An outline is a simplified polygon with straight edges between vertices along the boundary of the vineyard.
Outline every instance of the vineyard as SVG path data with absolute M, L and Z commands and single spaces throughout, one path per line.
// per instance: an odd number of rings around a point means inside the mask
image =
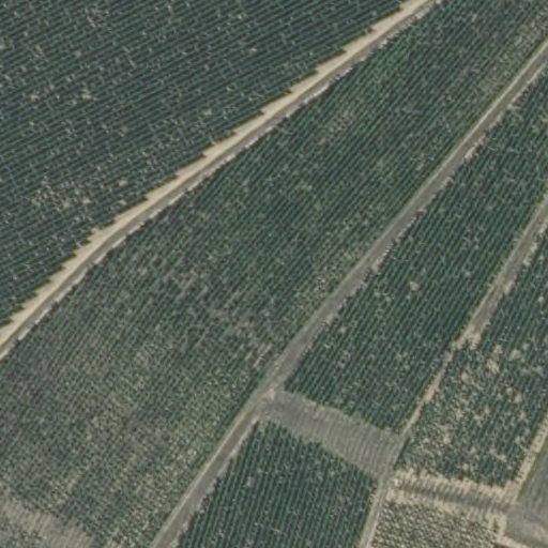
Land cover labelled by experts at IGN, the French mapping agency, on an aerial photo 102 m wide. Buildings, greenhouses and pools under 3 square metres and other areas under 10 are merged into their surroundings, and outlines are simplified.
M 195 191 L 184 193 L 180 201 L 161 210 L 154 218 L 146 220 L 141 229 L 126 235 L 124 244 L 109 250 L 101 263 L 90 265 L 86 278 L 79 285 L 75 285 L 60 302 L 51 304 L 47 317 L 34 323 L 26 338 L 15 340 L 9 355 L 0 360 L 0 548 L 548 548 L 548 0 L 413 0 L 417 4 L 417 11 L 409 19 L 392 28 L 387 34 L 383 34 L 375 45 L 360 51 L 351 62 L 332 73 L 334 81 L 321 96 L 313 98 L 306 105 L 300 105 L 293 111 L 293 116 L 280 118 L 270 133 L 261 135 L 250 148 L 240 150 L 233 161 L 218 167 Z
M 51 280 L 54 274 L 58 274 L 64 268 L 66 261 L 75 257 L 77 248 L 90 242 L 94 229 L 105 229 L 113 225 L 113 220 L 120 214 L 143 203 L 152 191 L 171 182 L 180 169 L 203 158 L 203 152 L 208 148 L 229 139 L 235 133 L 235 128 L 261 116 L 261 111 L 274 101 L 287 96 L 295 83 L 313 77 L 321 64 L 340 56 L 347 45 L 366 36 L 375 24 L 398 13 L 405 0 L 0 0 L 0 330 L 11 323 L 13 315 L 17 315 L 26 302 L 30 302 L 36 295 L 41 287 L 45 287 Z

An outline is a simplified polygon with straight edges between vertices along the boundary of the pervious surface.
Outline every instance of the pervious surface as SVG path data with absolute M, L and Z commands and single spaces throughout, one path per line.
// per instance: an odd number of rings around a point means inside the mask
M 146 220 L 154 218 L 161 210 L 180 201 L 184 193 L 195 191 L 218 167 L 233 161 L 240 150 L 250 148 L 261 135 L 270 133 L 280 118 L 293 116 L 293 111 L 300 105 L 306 105 L 313 98 L 321 96 L 334 81 L 332 73 L 351 62 L 360 51 L 375 45 L 383 34 L 387 34 L 392 28 L 409 19 L 417 11 L 417 4 L 413 0 L 405 0 L 398 13 L 375 24 L 366 36 L 347 45 L 340 56 L 321 64 L 313 77 L 295 83 L 287 96 L 274 101 L 261 111 L 261 116 L 235 128 L 235 133 L 229 139 L 208 148 L 203 152 L 203 158 L 180 169 L 171 182 L 152 191 L 143 203 L 120 214 L 113 220 L 113 225 L 105 229 L 94 229 L 90 242 L 77 248 L 75 257 L 66 261 L 64 268 L 58 274 L 54 274 L 51 280 L 45 287 L 41 287 L 36 295 L 30 302 L 26 302 L 17 315 L 13 315 L 11 323 L 0 330 L 0 360 L 9 355 L 15 340 L 26 338 L 34 323 L 47 317 L 51 304 L 60 302 L 75 285 L 79 285 L 86 278 L 90 265 L 101 263 L 109 250 L 124 244 L 126 235 L 141 229 Z

